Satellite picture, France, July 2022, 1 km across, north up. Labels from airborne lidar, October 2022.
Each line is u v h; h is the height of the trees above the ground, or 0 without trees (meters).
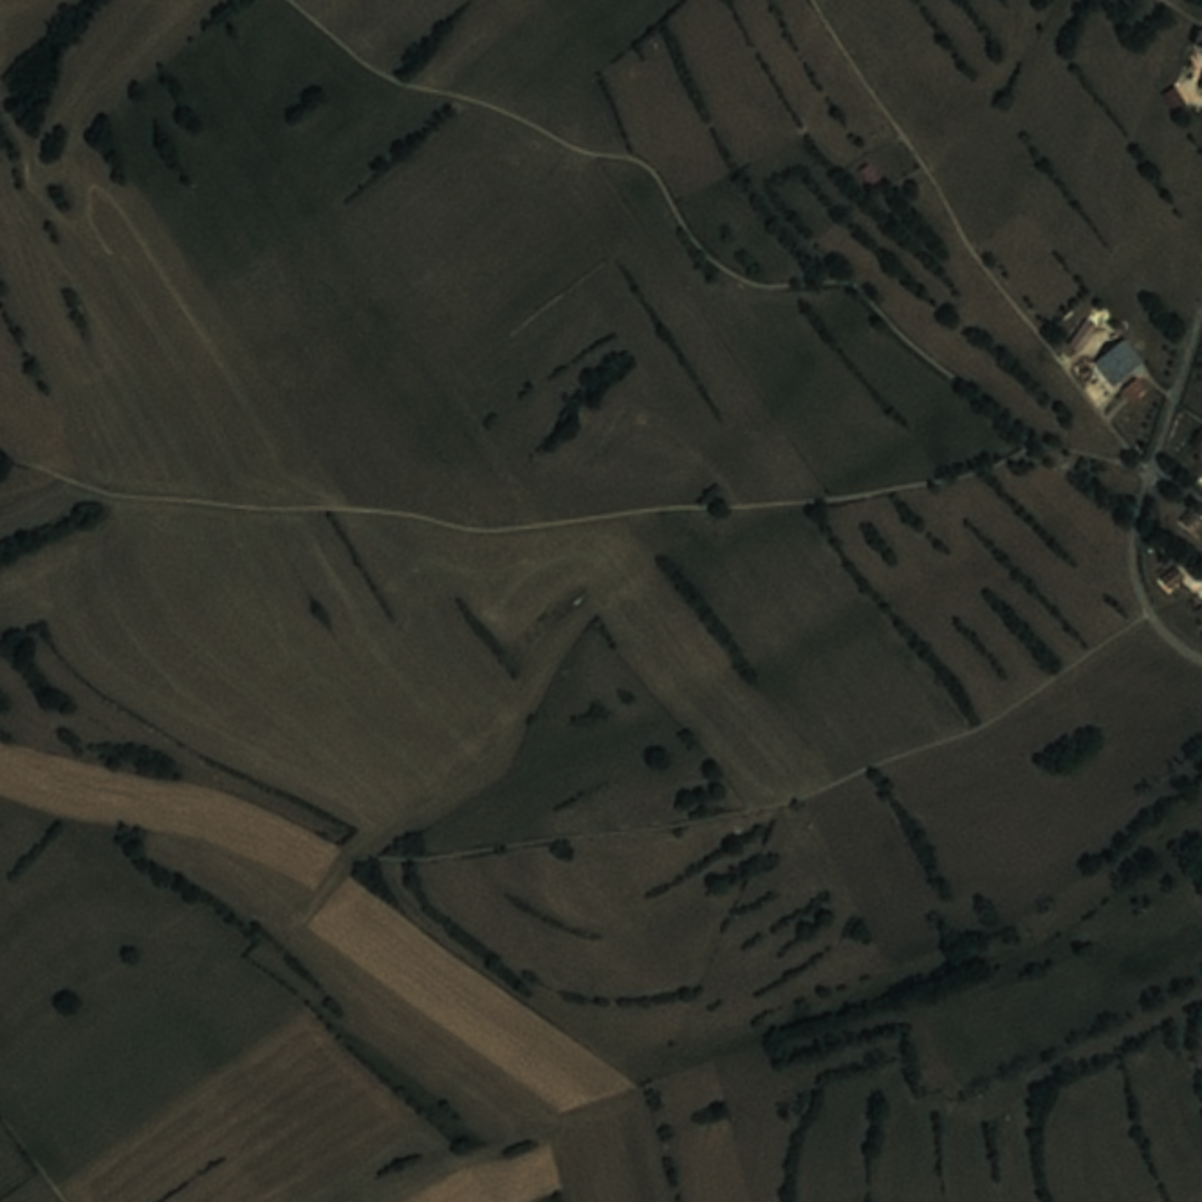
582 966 0
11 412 0
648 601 0
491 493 0
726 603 0
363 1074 0
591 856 0
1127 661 0
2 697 8
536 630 0
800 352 0
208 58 0
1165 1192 5
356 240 0
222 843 0
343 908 0
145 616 0
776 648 0
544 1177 0
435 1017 0
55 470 0
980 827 0
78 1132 0
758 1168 0
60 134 10
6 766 0
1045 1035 0
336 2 0
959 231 0
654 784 0
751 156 0
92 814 0
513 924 0
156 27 0
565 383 0
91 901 0
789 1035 9
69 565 0
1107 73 0
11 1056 0
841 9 0
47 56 6
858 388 0
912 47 0
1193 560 17
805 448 0
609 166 0
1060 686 0
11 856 0
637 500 0
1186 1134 0
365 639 0
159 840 0
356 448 0
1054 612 9
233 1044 0
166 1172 0
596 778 0
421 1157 6
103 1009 0
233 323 0
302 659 0
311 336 0
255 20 0
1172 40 0
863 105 0
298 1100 0
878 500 0
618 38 0
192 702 0
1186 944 0
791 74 0
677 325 0
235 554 0
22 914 0
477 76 0
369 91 0
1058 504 0
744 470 0
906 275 15
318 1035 0
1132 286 0
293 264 0
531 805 0
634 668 0
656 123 0
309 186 0
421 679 0
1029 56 0
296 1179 0
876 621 0
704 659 0
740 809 0
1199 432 7
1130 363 0
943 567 0
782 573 0
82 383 0
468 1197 0
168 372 0
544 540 0
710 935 0
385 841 0
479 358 0
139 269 0
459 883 0
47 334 0
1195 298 0
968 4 13
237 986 0
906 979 0
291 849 0
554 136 0
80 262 0
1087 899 0
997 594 7
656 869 0
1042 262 0
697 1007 0
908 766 0
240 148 0
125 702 0
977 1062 0
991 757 0
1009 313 0
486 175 0
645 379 0
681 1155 0
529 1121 0
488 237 0
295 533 0
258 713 0
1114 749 0
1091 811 0
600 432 0
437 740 0
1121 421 0
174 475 0
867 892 0
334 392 0
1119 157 0
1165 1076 0
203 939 0
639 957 0
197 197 0
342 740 0
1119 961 0
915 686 0
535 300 0
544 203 0
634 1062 0
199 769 0
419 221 0
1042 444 14
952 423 0
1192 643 0
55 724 0
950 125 0
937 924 15
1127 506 17
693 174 0
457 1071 0
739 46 0
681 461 0
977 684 0
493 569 0
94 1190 0
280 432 0
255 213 0
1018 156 0
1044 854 0
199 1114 0
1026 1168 0
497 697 0
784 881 0
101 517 6
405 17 0
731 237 6
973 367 0
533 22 0
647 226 0
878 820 0
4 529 0
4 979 0
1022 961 0
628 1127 0
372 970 0
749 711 0
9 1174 0
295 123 13
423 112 0
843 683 0
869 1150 11
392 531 0
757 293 0
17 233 0
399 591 0
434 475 0
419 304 0
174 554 0
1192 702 0
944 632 0
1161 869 15
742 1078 0
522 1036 0
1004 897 0
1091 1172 0
